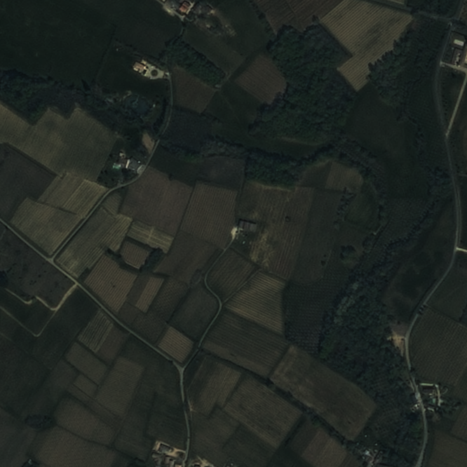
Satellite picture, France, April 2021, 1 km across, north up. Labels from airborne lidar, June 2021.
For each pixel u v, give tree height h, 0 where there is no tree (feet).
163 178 0
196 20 24
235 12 0
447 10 27
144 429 0
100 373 0
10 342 0
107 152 0
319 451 0
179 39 32
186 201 0
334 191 0
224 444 0
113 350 0
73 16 0
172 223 0
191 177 0
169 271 0
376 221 0
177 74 0
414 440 80
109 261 0
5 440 0
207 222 0
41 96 64
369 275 36
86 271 0
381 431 40
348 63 0
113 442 0
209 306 0
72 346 0
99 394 0
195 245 0
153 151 0
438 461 0
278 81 0
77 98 58
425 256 0
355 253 67
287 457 0
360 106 0
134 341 0
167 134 48
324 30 35
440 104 0
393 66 41
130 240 0
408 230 59
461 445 0
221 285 0
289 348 0
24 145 0
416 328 0
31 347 0
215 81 49
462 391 0
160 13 0
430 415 31
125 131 0
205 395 0
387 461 37
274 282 0
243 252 0
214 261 0
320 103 73
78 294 0
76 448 0
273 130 64
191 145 50
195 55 52
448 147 0
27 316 0
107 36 0
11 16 0
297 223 0
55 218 0
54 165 0
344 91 61
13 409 0
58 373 0
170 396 0
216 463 0
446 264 0
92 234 0
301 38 41
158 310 0
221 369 0
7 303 0
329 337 84
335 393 0
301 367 0
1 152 0
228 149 44
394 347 67
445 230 0
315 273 0
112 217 0
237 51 0
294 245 0
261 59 0
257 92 0
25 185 0
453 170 0
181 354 0
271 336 0
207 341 0
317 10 0
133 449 0
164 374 0
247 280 0
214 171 0
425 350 0
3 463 0
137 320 0
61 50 0
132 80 0
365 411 0
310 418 64
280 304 0
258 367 0
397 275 0
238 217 0
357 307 63
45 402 0
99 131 0
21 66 0
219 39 0
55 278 0
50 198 0
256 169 78
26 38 0
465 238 0
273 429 0
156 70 0
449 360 0
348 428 0
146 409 0
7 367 0
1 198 0
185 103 0
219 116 0
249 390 0
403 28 0
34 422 58
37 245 0
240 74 0
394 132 0
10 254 0
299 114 93
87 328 0
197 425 0
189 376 0
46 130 0
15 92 94
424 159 71
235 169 0
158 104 24
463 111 0
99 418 0
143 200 0
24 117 40
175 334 0
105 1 0
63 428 0
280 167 89
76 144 0
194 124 39
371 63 0
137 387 0
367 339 84
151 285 0
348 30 0
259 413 0
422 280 0
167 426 0
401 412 49
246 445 0
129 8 0
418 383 23
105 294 0
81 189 0
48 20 0
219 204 0
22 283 0
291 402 25
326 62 60
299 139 59
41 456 0
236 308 0
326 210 0
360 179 0
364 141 0
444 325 0
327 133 82
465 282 0
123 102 30
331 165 0
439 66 0
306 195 0
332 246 0
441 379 0
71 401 0
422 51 31
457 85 0
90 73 0
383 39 0
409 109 44
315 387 0
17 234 0
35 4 0
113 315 0
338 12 0
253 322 0
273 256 0
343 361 32
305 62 48
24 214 0
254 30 0
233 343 0
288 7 0
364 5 0
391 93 66
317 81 78
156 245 0
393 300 0
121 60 0
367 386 42
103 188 0
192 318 0
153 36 0
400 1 0
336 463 0
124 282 0
